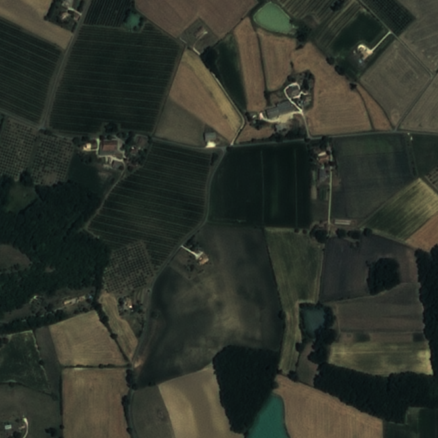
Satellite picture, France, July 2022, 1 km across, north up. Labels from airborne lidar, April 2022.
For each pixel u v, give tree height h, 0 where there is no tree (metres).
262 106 0
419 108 0
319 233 17
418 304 0
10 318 0
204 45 0
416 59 0
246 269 0
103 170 0
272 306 0
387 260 17
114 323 0
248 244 0
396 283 18
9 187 19
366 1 0
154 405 0
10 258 0
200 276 0
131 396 0
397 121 0
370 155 0
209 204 0
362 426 0
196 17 0
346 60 0
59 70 0
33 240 21
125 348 0
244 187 0
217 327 0
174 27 0
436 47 0
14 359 0
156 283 0
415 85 0
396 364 0
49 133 12
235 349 16
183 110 0
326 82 0
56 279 12
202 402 0
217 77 10
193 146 0
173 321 0
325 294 0
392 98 0
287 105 0
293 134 12
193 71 0
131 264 5
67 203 15
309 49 0
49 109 0
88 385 0
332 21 0
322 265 0
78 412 0
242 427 12
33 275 11
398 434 0
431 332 12
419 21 0
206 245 0
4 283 11
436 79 0
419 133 0
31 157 0
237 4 0
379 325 0
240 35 0
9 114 0
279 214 0
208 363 0
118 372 0
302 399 0
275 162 0
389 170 0
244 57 0
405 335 0
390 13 5
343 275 0
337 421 0
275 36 0
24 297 17
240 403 21
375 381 19
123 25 0
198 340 0
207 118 0
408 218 0
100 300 0
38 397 0
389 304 0
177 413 0
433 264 17
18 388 0
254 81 0
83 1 10
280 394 0
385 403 15
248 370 18
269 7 0
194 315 0
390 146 0
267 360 22
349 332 0
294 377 26
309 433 0
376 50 0
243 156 0
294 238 0
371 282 14
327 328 14
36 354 0
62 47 0
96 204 20
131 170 8
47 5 0
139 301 7
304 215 0
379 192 0
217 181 0
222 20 0
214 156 9
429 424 0
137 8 0
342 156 0
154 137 0
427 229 0
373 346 0
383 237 0
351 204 0
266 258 0
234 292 0
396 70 0
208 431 0
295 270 0
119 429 0
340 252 0
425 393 16
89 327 0
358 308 0
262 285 0
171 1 0
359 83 0
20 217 23
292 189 0
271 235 0
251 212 0
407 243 0
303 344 15
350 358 0
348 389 16
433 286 14
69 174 0
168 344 0
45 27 0
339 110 0
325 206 0
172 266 0
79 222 16
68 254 17
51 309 10
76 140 10
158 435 0
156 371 0
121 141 0
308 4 0
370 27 0
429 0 0
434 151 0
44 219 21
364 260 0
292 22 12
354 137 0
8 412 0
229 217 0
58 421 0
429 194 0
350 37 0
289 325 0
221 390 11
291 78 7
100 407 0
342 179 0
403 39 0
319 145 6
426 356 0
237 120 0
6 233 21
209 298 0
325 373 17
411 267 0
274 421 0
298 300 0
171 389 0
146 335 0
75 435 0
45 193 20
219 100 0
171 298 0
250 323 0
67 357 0
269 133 0
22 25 0
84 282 16
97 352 0
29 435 0
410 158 0
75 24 7
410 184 0
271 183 0
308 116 0
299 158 0
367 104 0
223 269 0
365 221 0
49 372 0
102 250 20
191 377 0
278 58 0
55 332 0
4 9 0
